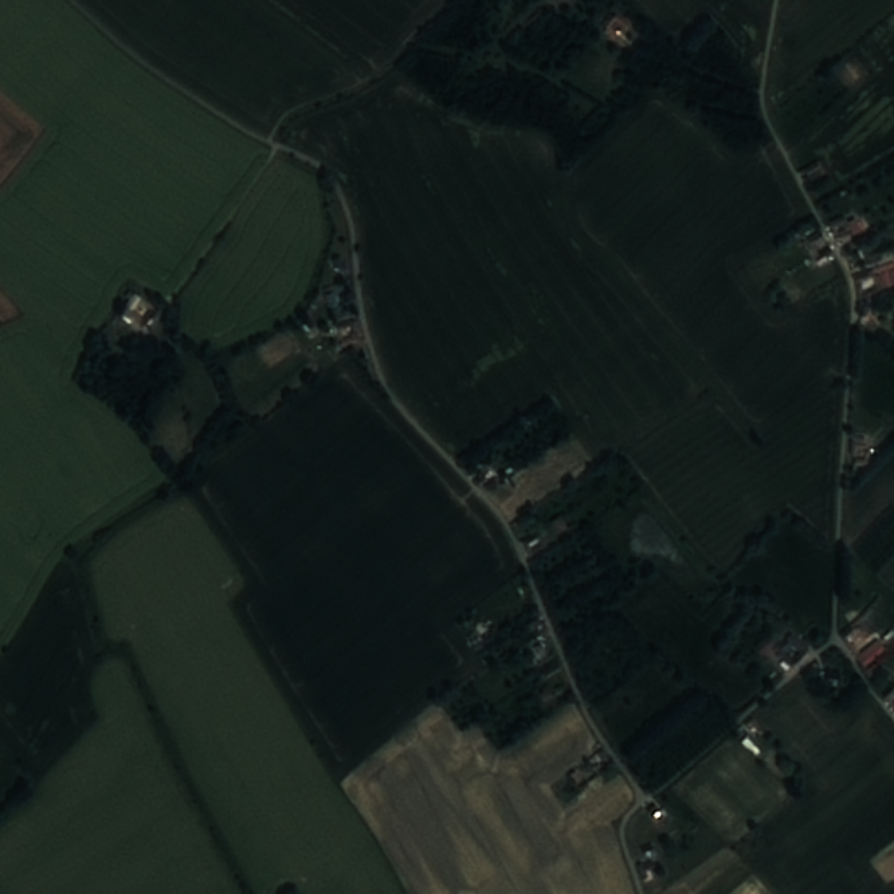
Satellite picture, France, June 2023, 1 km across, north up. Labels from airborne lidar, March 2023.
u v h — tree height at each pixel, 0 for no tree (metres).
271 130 0
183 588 0
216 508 0
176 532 0
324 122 0
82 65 0
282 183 0
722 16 0
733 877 0
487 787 0
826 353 0
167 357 24
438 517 0
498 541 0
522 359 0
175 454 0
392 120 0
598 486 6
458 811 0
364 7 0
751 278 0
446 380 0
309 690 0
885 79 0
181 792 0
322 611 0
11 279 0
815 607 0
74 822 0
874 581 0
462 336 0
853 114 0
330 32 0
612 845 0
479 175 0
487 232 0
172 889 0
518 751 0
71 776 0
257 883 0
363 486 0
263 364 0
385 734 0
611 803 0
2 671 0
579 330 0
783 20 0
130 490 0
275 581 0
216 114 0
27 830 0
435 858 0
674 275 0
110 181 0
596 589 15
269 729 0
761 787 0
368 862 0
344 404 0
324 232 0
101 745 0
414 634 0
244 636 0
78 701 0
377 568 0
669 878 0
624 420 0
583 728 0
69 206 0
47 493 0
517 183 0
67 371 0
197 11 0
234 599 0
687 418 0
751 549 16
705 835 0
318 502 0
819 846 0
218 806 0
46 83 0
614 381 0
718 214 0
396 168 0
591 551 10
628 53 13
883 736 0
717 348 0
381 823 0
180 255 0
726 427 0
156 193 0
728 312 0
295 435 0
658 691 0
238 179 0
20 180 0
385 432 0
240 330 0
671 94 12
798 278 0
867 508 0
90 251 0
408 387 0
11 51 0
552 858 0
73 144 0
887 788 0
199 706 0
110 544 0
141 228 0
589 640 21
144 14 0
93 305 0
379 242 0
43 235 0
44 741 0
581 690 18
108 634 0
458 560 0
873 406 0
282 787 0
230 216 0
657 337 0
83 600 0
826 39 0
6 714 0
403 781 0
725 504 0
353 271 0
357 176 0
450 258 0
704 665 0
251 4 0
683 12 0
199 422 0
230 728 0
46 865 0
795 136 0
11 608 0
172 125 0
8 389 0
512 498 0
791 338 0
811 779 0
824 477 0
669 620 0
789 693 0
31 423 0
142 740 0
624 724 0
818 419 0
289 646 0
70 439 0
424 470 0
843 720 0
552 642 0
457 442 0
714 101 13
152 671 0
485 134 0
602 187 0
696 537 0
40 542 0
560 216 0
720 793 0
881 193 0
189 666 0
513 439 10
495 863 0
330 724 0
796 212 0
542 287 0
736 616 15
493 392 0
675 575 0
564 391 0
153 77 0
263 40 0
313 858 0
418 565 0
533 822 0
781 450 0
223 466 0
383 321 0
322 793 0
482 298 0
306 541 0
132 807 0
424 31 12
